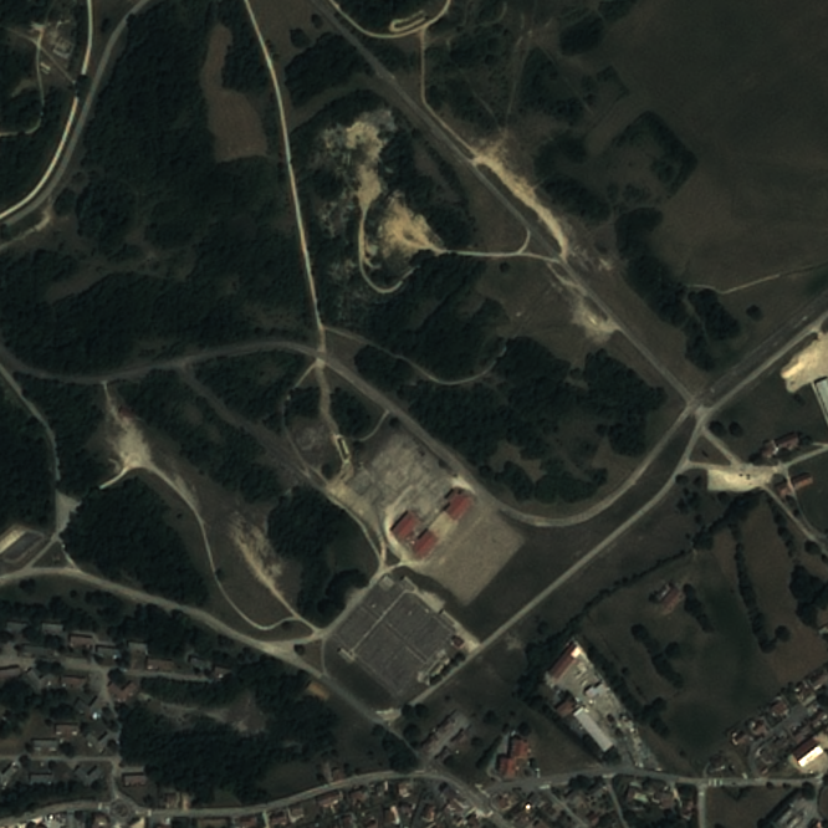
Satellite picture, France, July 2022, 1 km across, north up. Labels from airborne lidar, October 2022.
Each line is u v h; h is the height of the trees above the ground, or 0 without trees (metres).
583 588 0
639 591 0
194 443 6
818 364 0
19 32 0
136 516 11
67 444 13
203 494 0
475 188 0
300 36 12
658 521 0
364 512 0
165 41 17
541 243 0
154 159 8
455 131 0
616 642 0
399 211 0
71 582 0
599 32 9
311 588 6
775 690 0
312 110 0
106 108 10
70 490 15
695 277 0
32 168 7
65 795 16
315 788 0
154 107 7
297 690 16
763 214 0
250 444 9
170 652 18
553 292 0
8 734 15
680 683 8
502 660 0
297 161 6
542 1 0
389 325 12
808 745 0
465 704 0
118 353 14
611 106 0
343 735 0
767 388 0
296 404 8
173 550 11
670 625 0
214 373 6
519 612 0
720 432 17
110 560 19
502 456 0
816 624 14
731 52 0
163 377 7
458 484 0
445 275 10
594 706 0
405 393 11
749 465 0
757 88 0
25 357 14
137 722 14
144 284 6
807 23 0
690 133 0
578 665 0
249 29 14
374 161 0
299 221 0
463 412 14
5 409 8
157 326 7
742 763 0
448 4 0
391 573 0
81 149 0
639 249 8
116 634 11
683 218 0
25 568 0
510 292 0
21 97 6
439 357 7
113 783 0
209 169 7
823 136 0
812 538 0
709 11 0
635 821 14
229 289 0
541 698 10
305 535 9
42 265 11
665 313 10
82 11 8
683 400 0
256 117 0
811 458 0
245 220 0
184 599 17
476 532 0
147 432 0
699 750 0
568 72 0
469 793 0
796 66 0
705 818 0
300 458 0
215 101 0
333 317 7
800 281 0
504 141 0
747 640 0
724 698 0
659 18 0
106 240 11
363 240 0
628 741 0
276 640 0
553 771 0
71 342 9
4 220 0
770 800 0
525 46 0
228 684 20
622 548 0
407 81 0
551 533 0
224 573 11
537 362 8
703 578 0
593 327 0
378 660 0
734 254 0
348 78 9
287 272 6
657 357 0
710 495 0
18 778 0
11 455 19
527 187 0
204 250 6
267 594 0
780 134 0
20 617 15
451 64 6
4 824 0
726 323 15
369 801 0
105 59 0
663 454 0
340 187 17
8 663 0
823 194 0
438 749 0
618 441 14
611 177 0
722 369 0
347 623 0
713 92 0
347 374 0
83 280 0
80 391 11
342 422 8
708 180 0
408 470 0
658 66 0
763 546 0
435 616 0
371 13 16
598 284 0
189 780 18
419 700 0
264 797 12
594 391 10
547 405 6
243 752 18
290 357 6
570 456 0
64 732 0
